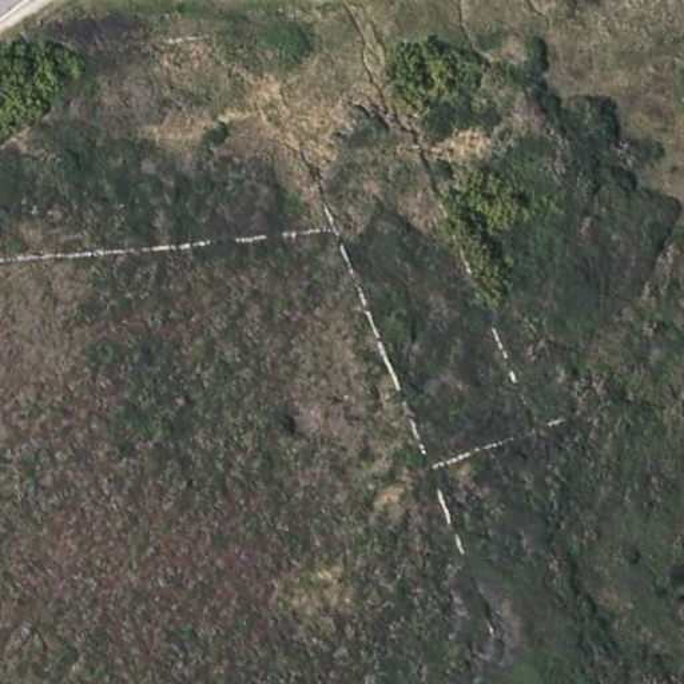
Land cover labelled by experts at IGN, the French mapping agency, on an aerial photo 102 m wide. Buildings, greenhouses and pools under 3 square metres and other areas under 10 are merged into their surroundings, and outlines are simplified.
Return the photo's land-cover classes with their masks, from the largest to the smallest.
<instances>
[{"label":"herbaceous vegetation","instance_id":"1","mask_svg":"<svg viewBox=\"0 0 684 684\"><path fill-rule=\"evenodd\" d=\"M19 37L35 45L61 43L69 51H80V75L96 77L99 94L94 91L91 96L72 99L69 104H64V110H59L56 123H40L37 131L21 128L8 142H0V684H684V0H51L40 11L24 16L19 24L11 27ZM502 29L508 40L500 48H489L484 59L524 64V45L532 37H545L548 69L540 67L537 72H532L529 88L521 91L494 75L481 77L478 91L473 94V107H497L502 118L497 126L484 131V136L489 139V150L484 152V158L476 155L454 163L430 160L436 144L428 139L422 115L393 94V86L385 72L398 45L406 43H428V37H438L444 43L457 40L465 48H470V43L478 35ZM267 72L278 77L281 96L286 99V104L305 96L315 102L345 104V112L355 123V128L353 134L334 131L337 163L331 158L313 160L307 152L262 136V128L254 120H222V112L227 110H257V102H248L246 94L259 91L265 83L262 75ZM21 222L35 230L91 232V240L99 248H126L128 257H64L45 262H19L16 254H24L27 240L21 238ZM187 240H208L206 248L142 254V246ZM358 294H366L369 299V307L377 318L379 337L390 353L401 387L390 385L379 355L369 347V323L355 310ZM403 468L411 470L414 486L411 492H403L398 497L401 521H395L390 518V510L377 505L374 500L398 481Z\"/></svg>","mask_w":684,"mask_h":684},{"label":"brushwood","instance_id":"2","mask_svg":"<svg viewBox=\"0 0 684 684\"><path fill-rule=\"evenodd\" d=\"M80 51H69L61 43L35 45L19 37L11 27L0 32V142H8L21 128L37 131L40 123H56L59 110H64V104H69L72 99L91 96L94 91L99 94L96 77L80 75ZM508 40L502 29L478 35L470 43V48H465L457 40L444 43L438 37H428V43H406L398 45L385 72L393 86V94L422 115L428 139L436 144L457 131H484L497 126L502 118L497 107H473V94L478 91L481 77L494 75L521 91L529 88L532 72H537L540 67L548 69L545 37H532L524 45V64L484 59L489 48H500Z\"/></svg>","mask_w":684,"mask_h":684},{"label":"bare soil","instance_id":"3","mask_svg":"<svg viewBox=\"0 0 684 684\"><path fill-rule=\"evenodd\" d=\"M265 83L259 91L246 94L248 102H257V110H227L222 112V120H254L262 128V136L307 152L313 160L331 158L337 163L334 131L353 134L355 128V123L345 112V104L315 102L305 96L286 104V99L281 96L278 77L267 72L262 75ZM489 150V139L484 136V131H457L436 144L430 160L454 163L476 155L484 158V152ZM21 238L27 240L24 254L99 248L91 240V232L35 230L21 222ZM414 486L411 470L403 468L398 481L374 500L377 505L390 510V518L395 521H401L398 497L403 492H411Z\"/></svg>","mask_w":684,"mask_h":684},{"label":"impervious surface","instance_id":"4","mask_svg":"<svg viewBox=\"0 0 684 684\"><path fill-rule=\"evenodd\" d=\"M51 0H0V32L11 27L19 24L24 16L40 11ZM208 240H187L142 246V254L206 248ZM19 262H45L64 257H128L126 248H99L24 254H16ZM355 310L369 323V347L379 355L390 385L401 387L390 353L379 337L377 318L369 307V299L366 294H358Z\"/></svg>","mask_w":684,"mask_h":684}]
</instances>
